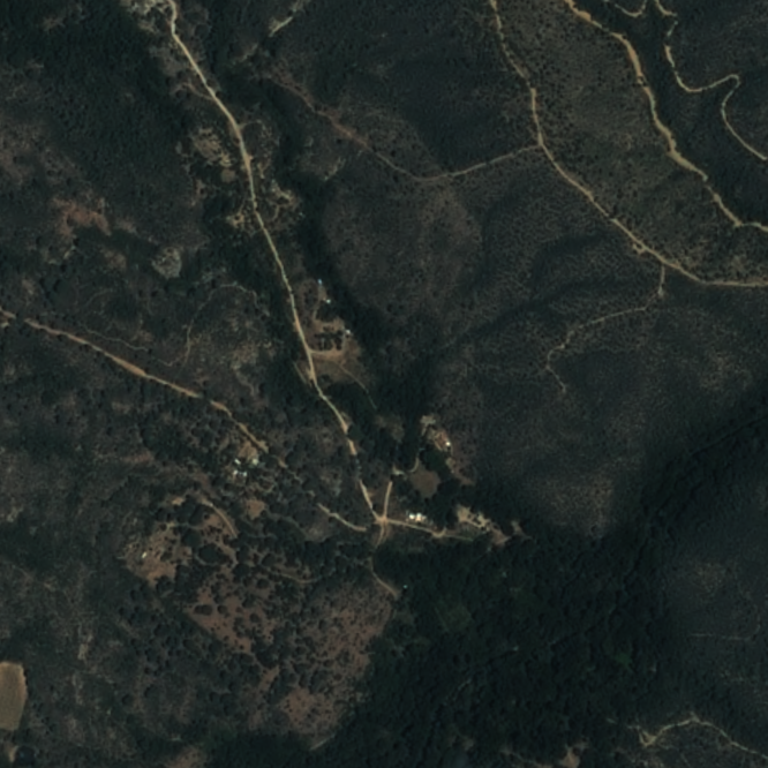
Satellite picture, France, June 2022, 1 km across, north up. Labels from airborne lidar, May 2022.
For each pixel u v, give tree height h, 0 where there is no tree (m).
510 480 6
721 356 7
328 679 13
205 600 0
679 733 10
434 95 6
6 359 13
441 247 0
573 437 0
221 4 11
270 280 7
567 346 7
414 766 18
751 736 8
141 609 13
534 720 11
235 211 8
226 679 13
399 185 13
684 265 6
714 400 7
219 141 6
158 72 12
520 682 28
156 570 0
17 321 10
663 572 8
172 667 13
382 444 14
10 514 0
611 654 19
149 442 13
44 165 0
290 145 9
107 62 8
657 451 11
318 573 7
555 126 7
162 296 17
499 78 8
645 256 6
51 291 14
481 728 28
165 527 7
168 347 0
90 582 0
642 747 7
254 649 8
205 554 16
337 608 8
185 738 6
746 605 7
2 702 0
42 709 9
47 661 0
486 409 6
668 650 15
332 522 10
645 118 15
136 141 7
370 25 8
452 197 0
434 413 7
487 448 8
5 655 6
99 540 10
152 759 10
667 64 10
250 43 0
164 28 12
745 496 7
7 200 16
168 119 9
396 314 15
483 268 7
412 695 17
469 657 20
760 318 8
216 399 8
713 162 12
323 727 0
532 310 7
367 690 7
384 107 6
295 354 10
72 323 9
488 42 8
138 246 7
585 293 7
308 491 15
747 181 9
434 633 7
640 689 11
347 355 0
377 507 12
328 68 6
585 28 15
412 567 11
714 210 8
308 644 7
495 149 8
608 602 28
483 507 11
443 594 10
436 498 11
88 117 17
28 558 6
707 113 8
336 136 0
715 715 9
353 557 15
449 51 7
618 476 8
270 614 11
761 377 8
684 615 6
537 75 9
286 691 12
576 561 16
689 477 10
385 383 6
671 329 9
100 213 6
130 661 6
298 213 6
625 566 24
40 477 0
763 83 6
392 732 14
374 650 9
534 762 22
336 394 12
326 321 10
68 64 20
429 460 25
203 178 7
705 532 6
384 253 0
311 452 10
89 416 10
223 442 7
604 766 12
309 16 6
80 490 10
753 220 12
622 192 7
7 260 11
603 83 8
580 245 6
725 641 7
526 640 28
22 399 11
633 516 9
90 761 10
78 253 11
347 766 19
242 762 19
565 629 21
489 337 6
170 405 11
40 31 8
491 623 10
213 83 10
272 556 11
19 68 14
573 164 8
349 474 8
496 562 14
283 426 8
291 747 17
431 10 11
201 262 8
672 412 6
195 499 11
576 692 24
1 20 12
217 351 0
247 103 7
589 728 21
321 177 0
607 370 7
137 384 9
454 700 7
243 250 13
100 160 13
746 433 12
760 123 6
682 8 7
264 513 9
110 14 13
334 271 15
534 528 24
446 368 0
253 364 0
